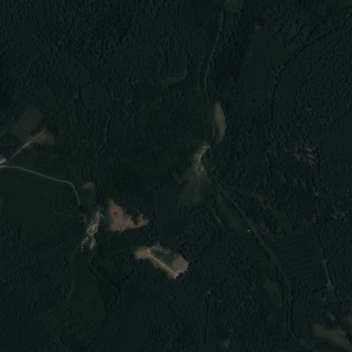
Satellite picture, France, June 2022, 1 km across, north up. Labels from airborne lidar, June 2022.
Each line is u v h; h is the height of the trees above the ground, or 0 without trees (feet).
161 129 51
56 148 25
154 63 68
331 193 87
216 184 36
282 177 45
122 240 79
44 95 36
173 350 48
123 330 35
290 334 59
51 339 71
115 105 49
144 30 106
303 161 39
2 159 0
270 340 56
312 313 75
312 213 57
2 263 41
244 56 70
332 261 79
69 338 51
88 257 22
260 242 56
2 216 48
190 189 0
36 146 38
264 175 45
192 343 42
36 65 66
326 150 64
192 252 70
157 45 71
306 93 82
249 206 35
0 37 61
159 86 61
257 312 75
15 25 75
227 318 72
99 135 41
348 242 99
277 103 43
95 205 31
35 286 53
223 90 56
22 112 58
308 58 31
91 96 81
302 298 89
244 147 52
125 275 26
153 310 38
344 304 72
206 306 42
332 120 85
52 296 45
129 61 104
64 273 97
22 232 65
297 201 59
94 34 42
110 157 51
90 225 0
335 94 88
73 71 90
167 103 88
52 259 103
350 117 53
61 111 40
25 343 66
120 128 45
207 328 49
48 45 87
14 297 86
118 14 22
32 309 82
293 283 28
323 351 20
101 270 73
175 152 42
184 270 0
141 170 60
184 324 52
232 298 69
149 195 78
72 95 61
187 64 42
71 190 23
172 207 90
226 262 85
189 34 92
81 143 19
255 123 61
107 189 56
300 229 21
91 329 28
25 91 23
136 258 65
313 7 73
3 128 60
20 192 18
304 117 67
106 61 91
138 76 75
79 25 78
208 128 25
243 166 33
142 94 73
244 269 66
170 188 88
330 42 50
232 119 58
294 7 22
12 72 46
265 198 31
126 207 59
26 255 41
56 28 84
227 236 94
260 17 68
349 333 67
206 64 75
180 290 87
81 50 92
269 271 61
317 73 80
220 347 87
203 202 0
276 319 62
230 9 0
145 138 19
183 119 48
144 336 33
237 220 0
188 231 42
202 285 92
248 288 36
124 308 35
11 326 77
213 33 56
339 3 51
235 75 71
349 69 73
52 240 48
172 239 72
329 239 78
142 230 71
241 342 86
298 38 57
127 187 86
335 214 28
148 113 50
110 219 0
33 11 101
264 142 19
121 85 97
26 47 95
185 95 88
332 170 69
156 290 88
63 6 91
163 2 52
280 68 41
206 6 75
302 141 87
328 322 47
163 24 108
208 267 92
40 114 0
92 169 43
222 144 53
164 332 85
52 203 18
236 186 38
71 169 18
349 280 62
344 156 61
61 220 20
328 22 56
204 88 32
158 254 0
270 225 44
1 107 89
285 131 94
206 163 0
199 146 38
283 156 68
